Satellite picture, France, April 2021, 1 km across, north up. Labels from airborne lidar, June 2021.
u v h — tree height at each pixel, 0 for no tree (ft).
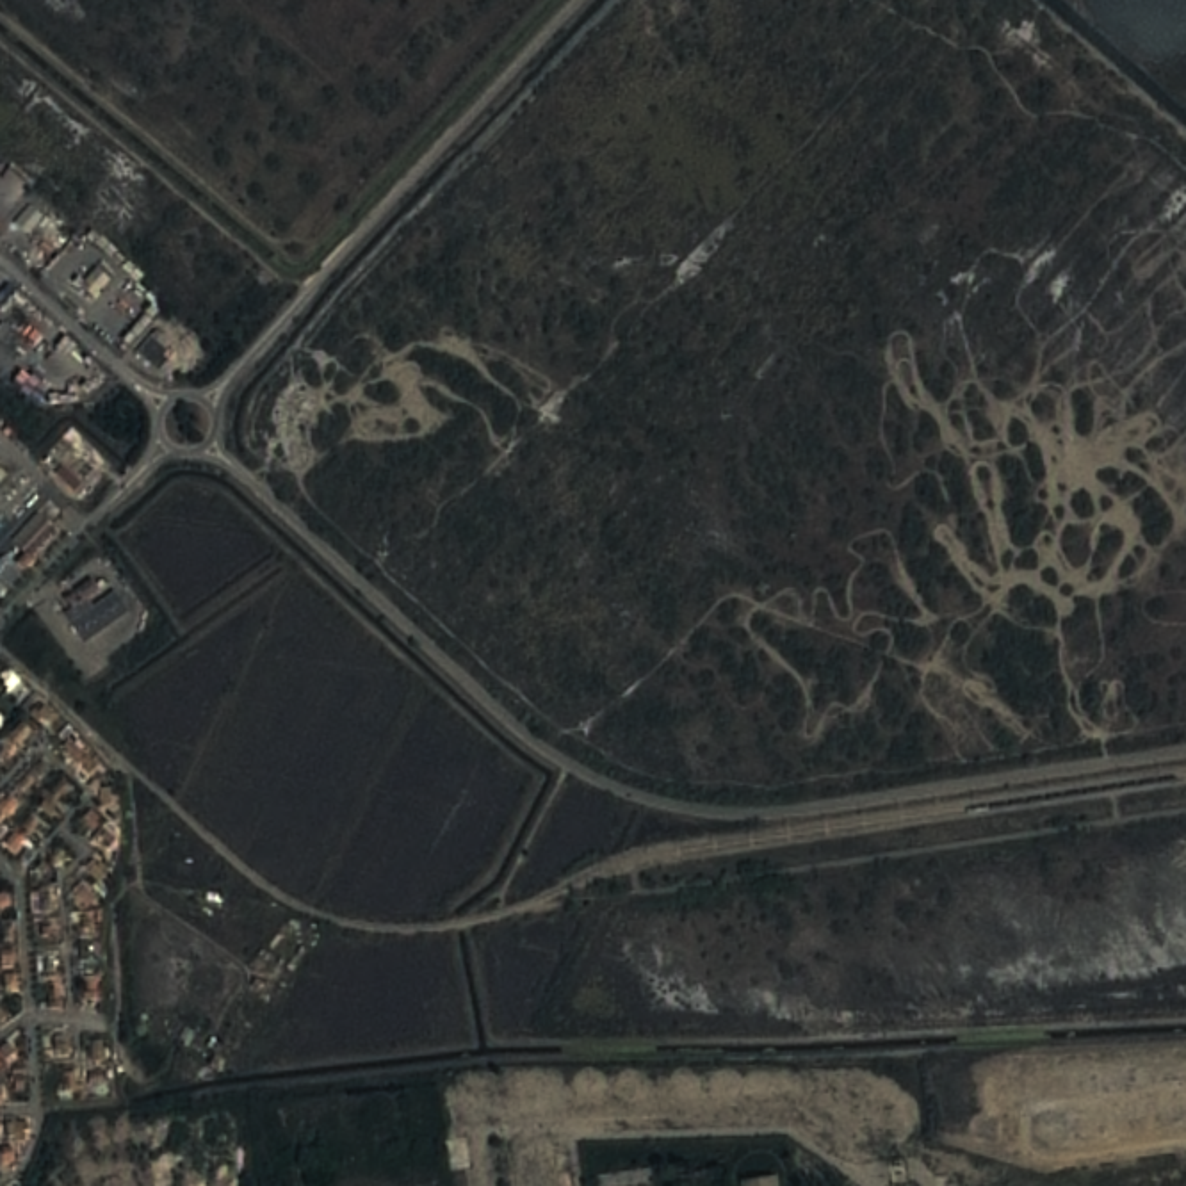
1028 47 0
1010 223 0
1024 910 0
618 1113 0
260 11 0
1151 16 0
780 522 18
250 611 0
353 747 0
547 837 0
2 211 0
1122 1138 0
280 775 0
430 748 0
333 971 0
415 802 0
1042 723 0
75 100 0
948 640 0
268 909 0
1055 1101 0
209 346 26
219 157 22
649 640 0
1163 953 0
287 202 0
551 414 0
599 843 0
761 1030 0
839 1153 0
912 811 0
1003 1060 0
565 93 0
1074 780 0
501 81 0
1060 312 0
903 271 0
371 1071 0
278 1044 0
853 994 0
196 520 0
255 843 0
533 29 0
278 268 0
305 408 0
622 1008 0
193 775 0
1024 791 0
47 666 0
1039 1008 0
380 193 0
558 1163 0
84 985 34
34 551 0
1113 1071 0
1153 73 0
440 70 0
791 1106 0
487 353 0
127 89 0
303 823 0
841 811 0
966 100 0
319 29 0
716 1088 0
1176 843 0
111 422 20
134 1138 0
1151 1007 0
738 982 0
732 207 0
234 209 0
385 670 0
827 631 0
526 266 0
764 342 0
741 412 0
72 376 0
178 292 0
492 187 0
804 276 0
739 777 0
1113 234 0
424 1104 0
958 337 0
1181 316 0
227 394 0
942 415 0
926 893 0
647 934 0
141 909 0
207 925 0
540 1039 0
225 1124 23
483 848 0
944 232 0
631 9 0
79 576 0
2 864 0
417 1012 0
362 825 0
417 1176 0
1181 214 0
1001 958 0
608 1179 0
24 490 0
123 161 0
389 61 0
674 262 0
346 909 0
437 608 0
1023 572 0
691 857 0
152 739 0
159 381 0
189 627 0
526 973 0
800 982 0
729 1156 0
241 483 0
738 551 0
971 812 0
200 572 0
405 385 0
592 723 0
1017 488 17
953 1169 0
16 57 0
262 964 0
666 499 0
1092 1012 0
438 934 0
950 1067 0
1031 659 18
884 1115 0
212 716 0
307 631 0
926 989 0
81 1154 0
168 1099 28
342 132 0
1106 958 0
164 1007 0
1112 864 0
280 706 0
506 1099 0
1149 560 0
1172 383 0
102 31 19
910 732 19
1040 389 0
